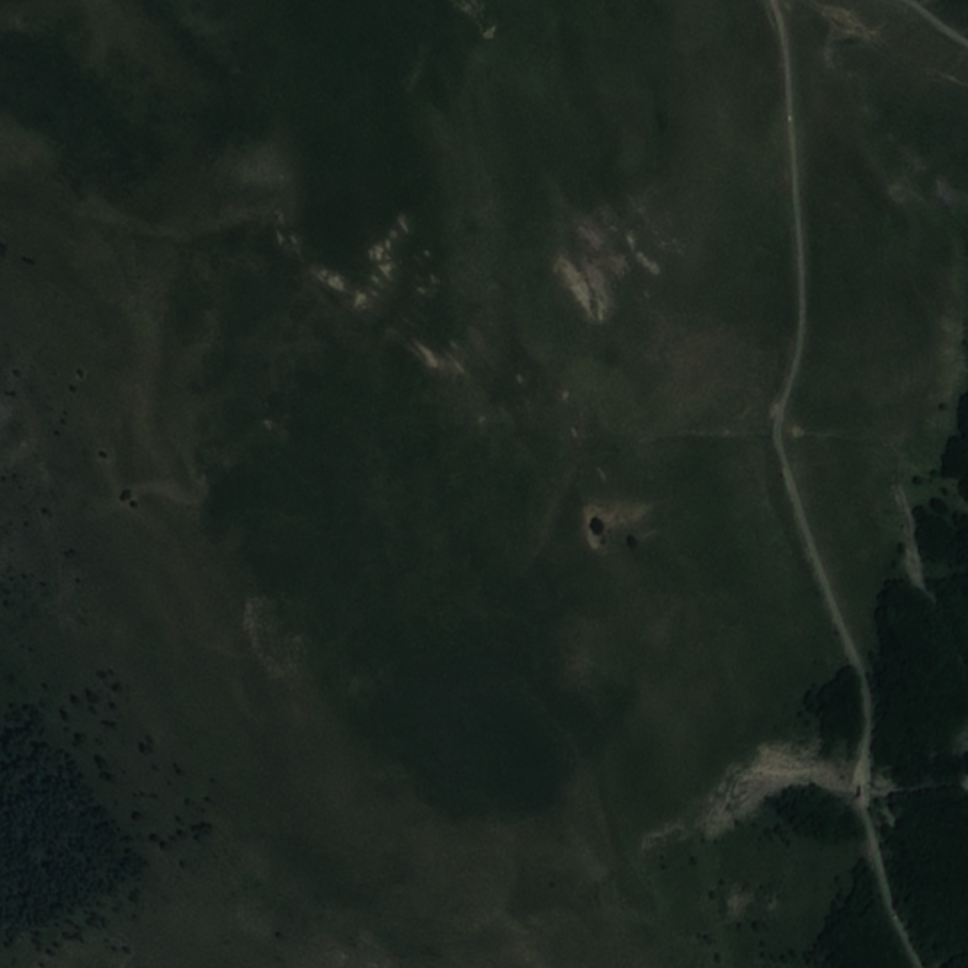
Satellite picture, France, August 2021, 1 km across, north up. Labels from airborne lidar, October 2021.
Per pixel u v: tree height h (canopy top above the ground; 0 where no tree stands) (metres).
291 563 0
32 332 0
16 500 0
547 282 0
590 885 0
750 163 0
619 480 0
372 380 0
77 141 0
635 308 0
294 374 0
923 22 0
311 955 0
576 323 0
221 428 0
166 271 0
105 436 0
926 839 22
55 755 13
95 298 0
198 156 0
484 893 0
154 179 0
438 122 0
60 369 0
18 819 24
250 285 0
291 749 0
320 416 0
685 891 0
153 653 0
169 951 0
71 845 16
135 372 0
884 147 0
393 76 0
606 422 0
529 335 0
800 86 0
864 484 0
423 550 0
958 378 0
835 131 0
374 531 0
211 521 0
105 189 0
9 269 0
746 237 0
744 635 0
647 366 0
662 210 0
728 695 0
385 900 0
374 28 0
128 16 0
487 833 0
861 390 0
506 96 0
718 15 0
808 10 0
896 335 0
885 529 0
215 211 0
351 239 0
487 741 0
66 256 0
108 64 0
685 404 0
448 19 0
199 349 0
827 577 0
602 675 0
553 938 0
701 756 0
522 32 0
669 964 0
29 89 0
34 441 0
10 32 0
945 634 17
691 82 0
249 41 0
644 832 0
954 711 16
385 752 0
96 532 0
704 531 0
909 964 12
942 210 0
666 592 0
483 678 0
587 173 0
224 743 0
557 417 0
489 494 0
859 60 0
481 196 0
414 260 0
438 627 0
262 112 0
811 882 0
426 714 0
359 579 0
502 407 0
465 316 0
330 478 0
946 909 18
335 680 0
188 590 0
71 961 0
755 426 0
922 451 0
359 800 0
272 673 0
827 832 16
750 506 0
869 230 0
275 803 0
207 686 0
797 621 0
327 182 0
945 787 11
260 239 0
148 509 0
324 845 0
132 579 0
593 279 0
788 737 0
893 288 0
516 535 0
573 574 0
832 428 0
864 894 13
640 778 0
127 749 0
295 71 0
